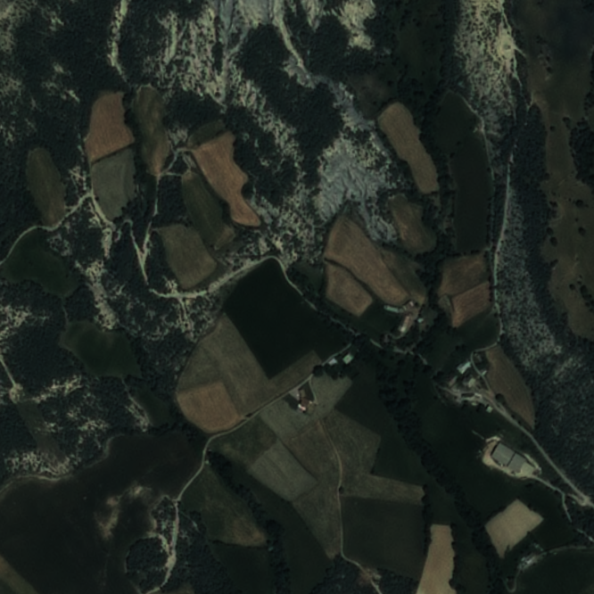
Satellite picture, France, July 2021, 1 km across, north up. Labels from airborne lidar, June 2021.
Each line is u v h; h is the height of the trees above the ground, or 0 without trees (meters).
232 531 0
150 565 8
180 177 6
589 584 0
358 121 0
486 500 0
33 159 0
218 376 0
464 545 0
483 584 0
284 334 0
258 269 0
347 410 0
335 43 7
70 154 10
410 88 24
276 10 0
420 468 0
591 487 8
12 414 9
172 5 6
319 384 0
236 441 0
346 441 0
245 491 13
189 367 0
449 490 14
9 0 0
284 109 8
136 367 0
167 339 6
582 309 0
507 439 0
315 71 7
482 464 0
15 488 0
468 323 0
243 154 9
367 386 0
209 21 0
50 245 7
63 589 0
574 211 0
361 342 19
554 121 0
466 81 6
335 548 0
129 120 15
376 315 0
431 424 0
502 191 9
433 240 0
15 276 0
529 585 0
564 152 0
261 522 13
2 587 0
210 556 9
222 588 13
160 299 8
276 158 7
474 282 0
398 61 13
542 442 8
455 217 7
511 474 0
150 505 0
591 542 7
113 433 9
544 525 0
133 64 10
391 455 0
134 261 6
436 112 11
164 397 13
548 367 6
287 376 0
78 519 0
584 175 9
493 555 15
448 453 0
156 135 0
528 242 6
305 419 0
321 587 10
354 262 0
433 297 15
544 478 0
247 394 0
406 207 0
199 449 0
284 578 15
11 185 8
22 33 7
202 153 0
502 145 10
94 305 6
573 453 6
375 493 0
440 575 0
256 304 0
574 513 8
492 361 0
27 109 6
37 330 8
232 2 0
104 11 8
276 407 0
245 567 0
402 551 0
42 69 9
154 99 0
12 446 6
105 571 0
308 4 0
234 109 8
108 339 0
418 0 8
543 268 8
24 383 7
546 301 8
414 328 7
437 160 15
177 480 0
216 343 0
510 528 0
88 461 6
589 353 8
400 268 0
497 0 0
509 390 0
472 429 0
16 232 6
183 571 8
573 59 0
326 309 12
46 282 0
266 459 0
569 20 0
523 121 11
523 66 8
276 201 6
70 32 9
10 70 6
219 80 0
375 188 0
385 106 9
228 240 0
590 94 10
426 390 0
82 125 7
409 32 0
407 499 0
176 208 8
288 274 6
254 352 0
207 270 0
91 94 11
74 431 6
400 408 25
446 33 7
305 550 0
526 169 9
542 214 9
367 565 0
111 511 0
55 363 12
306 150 7
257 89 0
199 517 7
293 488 0
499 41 0
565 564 0
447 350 0
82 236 6
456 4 9
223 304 0
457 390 0
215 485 0
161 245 5
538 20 0
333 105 7
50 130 11
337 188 0
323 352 0
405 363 13
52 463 0
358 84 0
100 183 0
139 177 8
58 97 7
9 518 0
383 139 9
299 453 0
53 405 7
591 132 11
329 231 6
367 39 0
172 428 14
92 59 10
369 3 0
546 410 6
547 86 0
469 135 0
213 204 0
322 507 0
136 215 8
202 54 0
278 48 8
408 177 10
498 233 7
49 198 0
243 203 0
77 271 10
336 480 0
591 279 0
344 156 0
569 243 0
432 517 15
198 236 0
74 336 0
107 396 5
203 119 7
